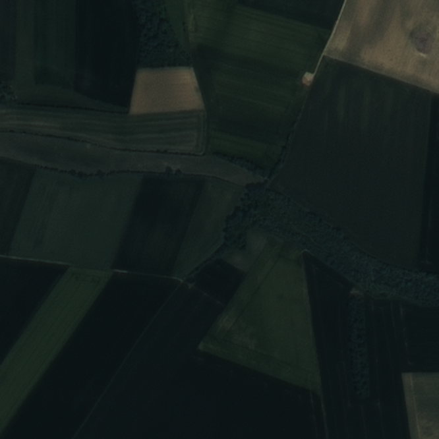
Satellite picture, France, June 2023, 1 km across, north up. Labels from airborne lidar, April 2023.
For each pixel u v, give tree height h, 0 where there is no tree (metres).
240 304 0
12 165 0
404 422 0
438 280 11
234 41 0
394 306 0
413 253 0
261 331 0
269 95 0
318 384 0
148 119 0
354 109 0
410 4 0
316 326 0
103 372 0
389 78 0
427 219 0
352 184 0
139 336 0
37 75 0
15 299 0
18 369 0
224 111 0
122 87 0
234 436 0
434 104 0
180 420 0
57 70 0
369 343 0
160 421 0
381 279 18
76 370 0
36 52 0
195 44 0
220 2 0
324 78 0
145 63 8
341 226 0
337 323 0
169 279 0
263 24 0
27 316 0
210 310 0
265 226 7
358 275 7
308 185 0
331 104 0
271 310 0
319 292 0
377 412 0
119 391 0
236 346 0
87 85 0
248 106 0
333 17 0
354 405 0
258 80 0
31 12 0
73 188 0
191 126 0
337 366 0
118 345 0
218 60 0
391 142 0
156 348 0
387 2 0
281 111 0
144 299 0
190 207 0
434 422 0
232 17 0
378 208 0
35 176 0
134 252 0
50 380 0
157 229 0
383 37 0
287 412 0
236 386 0
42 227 0
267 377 0
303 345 0
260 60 0
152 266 0
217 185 0
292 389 0
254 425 0
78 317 0
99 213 0
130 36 0
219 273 0
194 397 0
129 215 0
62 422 0
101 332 0
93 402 0
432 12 0
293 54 0
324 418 0
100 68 0
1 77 0
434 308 0
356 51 0
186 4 0
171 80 0
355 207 0
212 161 0
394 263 0
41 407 0
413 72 0
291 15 0
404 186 0
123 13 0
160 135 0
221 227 0
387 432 0
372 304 0
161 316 0
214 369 0
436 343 0
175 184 0
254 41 0
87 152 0
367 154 0
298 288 0
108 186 0
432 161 0
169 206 0
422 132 0
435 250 0
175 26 0
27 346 0
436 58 0
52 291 0
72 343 0
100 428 0
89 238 0
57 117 0
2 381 0
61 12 0
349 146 0
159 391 0
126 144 0
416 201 0
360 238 0
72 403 0
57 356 0
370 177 0
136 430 0
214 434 0
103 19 0
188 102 0
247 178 0
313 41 0
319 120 0
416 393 0
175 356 0
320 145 0
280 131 0
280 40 0
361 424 0
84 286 0
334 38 0
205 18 0
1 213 0
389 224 0
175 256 0
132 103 0
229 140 0
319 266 0
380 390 0
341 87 0
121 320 0
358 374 17
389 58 0
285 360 0
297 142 0
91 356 0
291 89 0
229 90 0
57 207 0
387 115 0
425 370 0
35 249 0
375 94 0
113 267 0
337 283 0
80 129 0
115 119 0
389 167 0
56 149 0
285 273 0
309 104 0
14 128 0
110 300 0
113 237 0
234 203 0
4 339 0
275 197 7
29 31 0
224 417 0
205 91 0
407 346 0
